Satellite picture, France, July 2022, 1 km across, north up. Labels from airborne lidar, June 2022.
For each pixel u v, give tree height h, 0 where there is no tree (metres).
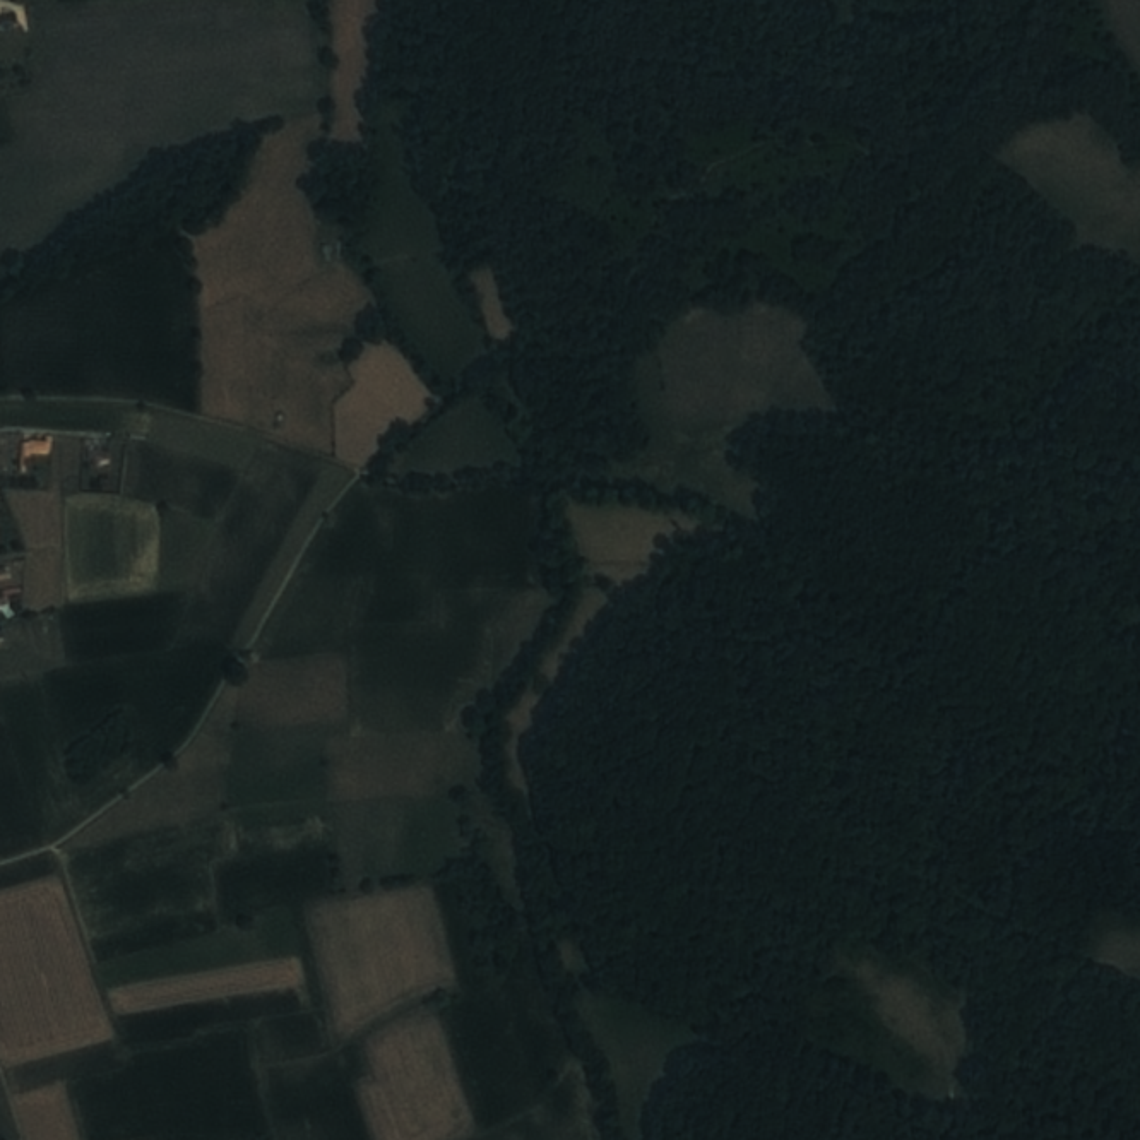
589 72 24
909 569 17
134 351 0
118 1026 0
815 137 10
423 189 24
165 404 0
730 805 30
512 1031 0
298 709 0
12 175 0
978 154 20
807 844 28
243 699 0
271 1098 0
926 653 26
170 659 0
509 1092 0
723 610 25
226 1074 0
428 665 0
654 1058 0
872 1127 21
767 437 20
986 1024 28
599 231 15
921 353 18
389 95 21
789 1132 29
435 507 0
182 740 0
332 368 0
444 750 0
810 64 30
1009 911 8
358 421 0
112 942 0
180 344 0
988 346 24
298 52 0
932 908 24
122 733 7
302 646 0
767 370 0
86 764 8
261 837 0
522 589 0
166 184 19
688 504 25
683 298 23
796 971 23
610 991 26
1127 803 17
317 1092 0
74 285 0
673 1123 24
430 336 0
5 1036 0
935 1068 0
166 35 0
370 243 0
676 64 18
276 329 0
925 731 15
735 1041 26
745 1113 27
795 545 21
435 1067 0
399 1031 0
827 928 23
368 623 0
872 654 11
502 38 28
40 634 0
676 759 31
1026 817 24
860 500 18
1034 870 25
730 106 20
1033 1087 25
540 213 17
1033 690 30
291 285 0
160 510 8
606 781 27
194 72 0
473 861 17
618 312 14
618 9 24
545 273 22
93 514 0
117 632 0
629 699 27
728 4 26
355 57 0
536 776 21
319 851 0
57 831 0
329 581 0
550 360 20
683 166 16
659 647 21
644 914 29
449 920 0
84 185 0
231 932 0
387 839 0
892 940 24
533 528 0
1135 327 19
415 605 0
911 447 16
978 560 27
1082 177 0
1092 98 16
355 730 0
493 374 27
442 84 29
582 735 27
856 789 16
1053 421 26
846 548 18
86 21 0
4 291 15
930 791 17
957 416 12
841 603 26
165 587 0
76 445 0
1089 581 19
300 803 0
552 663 0
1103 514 24
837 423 22
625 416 31
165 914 0
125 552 0
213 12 0
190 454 0
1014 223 21
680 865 28
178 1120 0
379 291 7
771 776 20
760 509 16
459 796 13
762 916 28
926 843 12
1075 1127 22
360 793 0
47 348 0
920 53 24
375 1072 0
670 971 31
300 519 0
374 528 0
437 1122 0
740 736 25
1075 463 20
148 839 0
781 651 22
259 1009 0
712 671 30
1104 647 24
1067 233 20
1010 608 26
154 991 0
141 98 0
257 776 0
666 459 0
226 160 24
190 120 0
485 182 26
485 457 0
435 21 29
